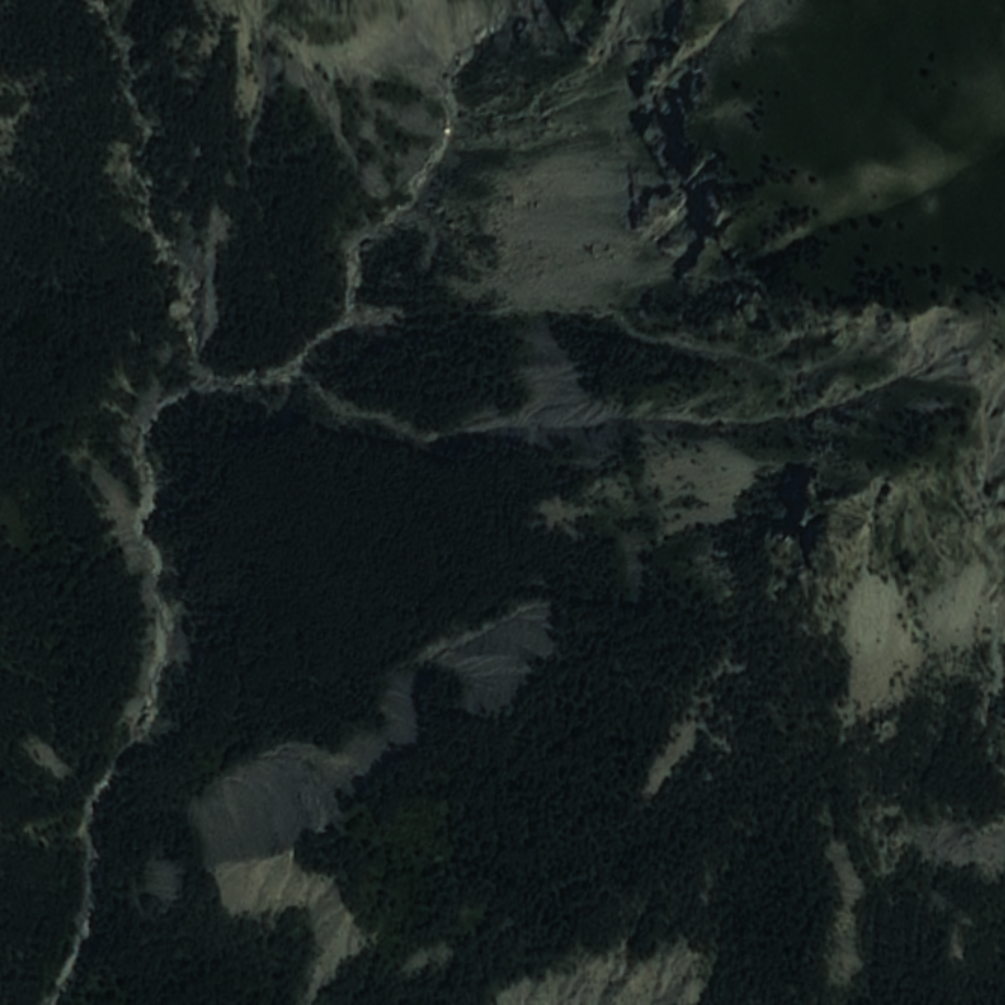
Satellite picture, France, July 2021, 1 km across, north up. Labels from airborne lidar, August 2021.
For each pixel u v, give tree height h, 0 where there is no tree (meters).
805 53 0
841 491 0
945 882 9
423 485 21
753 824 14
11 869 15
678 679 12
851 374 0
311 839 10
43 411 17
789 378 0
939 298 9
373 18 0
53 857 9
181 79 11
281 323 16
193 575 16
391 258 6
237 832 0
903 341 0
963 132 0
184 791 9
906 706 7
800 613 7
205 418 19
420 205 0
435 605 18
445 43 0
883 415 0
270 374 0
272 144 16
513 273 0
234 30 9
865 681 0
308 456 22
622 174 0
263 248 19
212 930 12
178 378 6
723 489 0
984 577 0
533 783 18
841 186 0
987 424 0
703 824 15
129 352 12
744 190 12
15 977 17
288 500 23
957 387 0
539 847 18
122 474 7
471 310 9
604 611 17
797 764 15
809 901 19
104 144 10
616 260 0
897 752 11
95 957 14
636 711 16
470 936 12
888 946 11
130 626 21
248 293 16
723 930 8
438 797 16
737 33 0
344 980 15
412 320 12
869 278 9
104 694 16
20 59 15
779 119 0
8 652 8
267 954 9
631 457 6
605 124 0
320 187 18
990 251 0
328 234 18
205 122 15
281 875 0
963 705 5
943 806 6
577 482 10
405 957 11
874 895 7
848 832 11
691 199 0
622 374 14
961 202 0
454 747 17
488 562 18
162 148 10
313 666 14
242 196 16
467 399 15
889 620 0
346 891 11
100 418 7
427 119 0
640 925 13
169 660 0
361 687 13
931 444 8
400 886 11
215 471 12
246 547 19
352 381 16
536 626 0
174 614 0
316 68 7
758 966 16
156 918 6
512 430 0
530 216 0
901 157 0
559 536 8
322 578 20
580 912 12
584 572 10
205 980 20
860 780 8
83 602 19
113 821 20
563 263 0
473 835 15
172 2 14
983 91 0
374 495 23
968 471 9
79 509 18
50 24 15
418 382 15
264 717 13
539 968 9
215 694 12
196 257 0
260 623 19
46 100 14
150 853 10
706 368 11
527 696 12
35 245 20
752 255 9
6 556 17
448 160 0
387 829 7
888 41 0
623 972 0
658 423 0
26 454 13
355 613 16
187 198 16
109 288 23
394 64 0
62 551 11
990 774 15
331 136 7
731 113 0
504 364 9
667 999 0
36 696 15
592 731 21
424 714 13
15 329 17
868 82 0
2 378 14
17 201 11
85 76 14
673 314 11
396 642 12
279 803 0
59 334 22
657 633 18
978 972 15
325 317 10
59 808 13
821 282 0
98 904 9
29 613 16
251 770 0
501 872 22
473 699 0
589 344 9
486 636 0
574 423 0
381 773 12
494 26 0
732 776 10
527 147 0
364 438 17
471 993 17
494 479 15
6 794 14
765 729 14
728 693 11
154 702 0
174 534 11
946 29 0
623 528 8
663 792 11
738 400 0
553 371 0
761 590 8
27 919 15
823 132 0
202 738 14
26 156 11
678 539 7
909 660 0
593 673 20
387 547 22
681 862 15
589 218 0
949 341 0
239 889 0
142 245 12
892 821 8
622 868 16
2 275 13
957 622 0
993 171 0
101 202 12
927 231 0
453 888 15
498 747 14
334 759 0
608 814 12
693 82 0
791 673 10
